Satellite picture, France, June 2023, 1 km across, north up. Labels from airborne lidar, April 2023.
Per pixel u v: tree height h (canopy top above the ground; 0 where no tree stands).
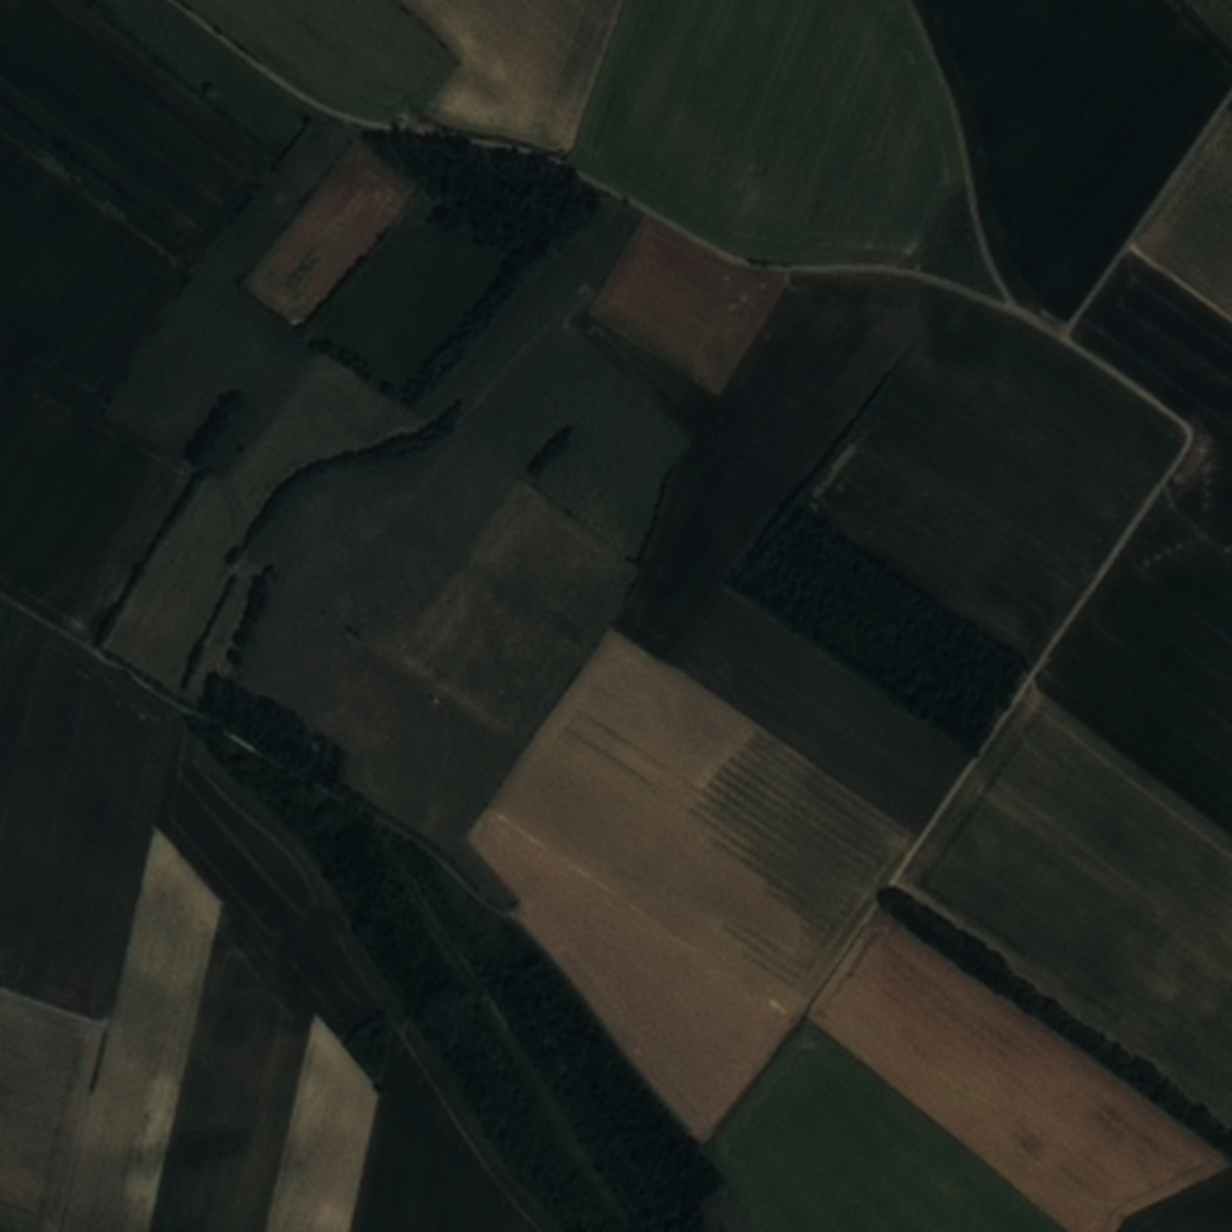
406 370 0
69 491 0
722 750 0
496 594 0
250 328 0
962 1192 0
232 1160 0
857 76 0
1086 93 0
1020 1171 0
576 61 0
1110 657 0
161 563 0
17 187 0
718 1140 0
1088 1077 0
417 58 0
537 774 0
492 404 0
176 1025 0
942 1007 0
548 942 0
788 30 0
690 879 0
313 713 0
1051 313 0
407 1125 0
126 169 0
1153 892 0
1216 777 0
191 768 0
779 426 0
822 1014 0
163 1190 0
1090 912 0
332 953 0
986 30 0
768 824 0
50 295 0
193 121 0
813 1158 0
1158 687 0
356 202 0
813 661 0
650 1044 0
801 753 0
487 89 0
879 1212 0
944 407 0
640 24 0
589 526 0
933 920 16
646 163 0
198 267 0
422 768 0
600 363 0
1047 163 0
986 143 0
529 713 0
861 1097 0
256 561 0
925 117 0
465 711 0
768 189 0
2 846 0
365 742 0
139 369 0
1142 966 0
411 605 0
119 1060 0
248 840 0
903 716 0
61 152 8
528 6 0
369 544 0
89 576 0
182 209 0
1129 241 0
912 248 0
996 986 13
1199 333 0
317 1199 0
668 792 0
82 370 0
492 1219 0
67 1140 0
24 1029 0
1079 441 0
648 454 0
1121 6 0
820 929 0
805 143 0
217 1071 0
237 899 0
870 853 0
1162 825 0
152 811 0
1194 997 0
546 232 25
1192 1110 7
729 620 0
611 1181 6
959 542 0
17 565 0
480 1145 0
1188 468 0
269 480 0
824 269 0
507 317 0
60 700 0
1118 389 0
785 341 0
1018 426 0
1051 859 0
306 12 0
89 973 0
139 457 0
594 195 14
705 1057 0
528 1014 9
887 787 0
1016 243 0
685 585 0
